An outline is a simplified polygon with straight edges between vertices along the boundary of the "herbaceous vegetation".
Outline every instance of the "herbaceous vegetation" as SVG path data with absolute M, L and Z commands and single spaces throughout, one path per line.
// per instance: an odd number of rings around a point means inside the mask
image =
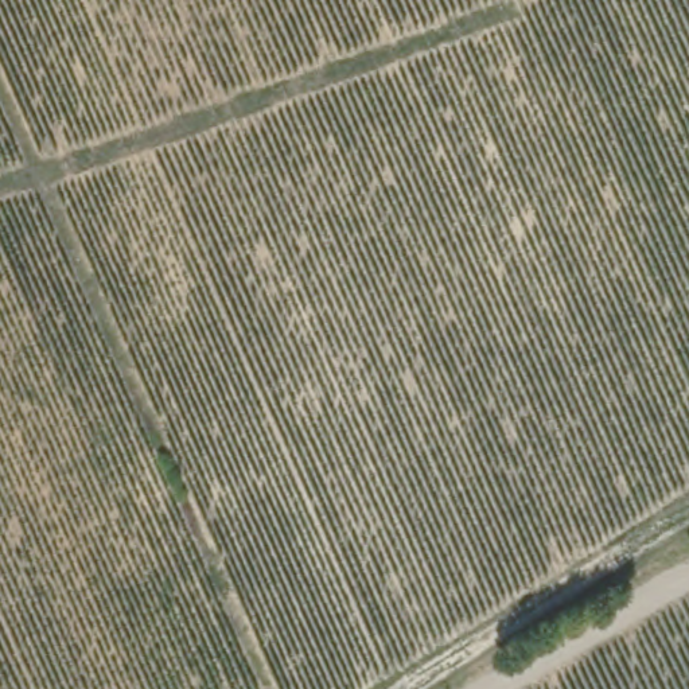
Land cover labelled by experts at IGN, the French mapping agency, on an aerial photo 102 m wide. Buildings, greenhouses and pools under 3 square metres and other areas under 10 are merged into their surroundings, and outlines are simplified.
M 490 651 L 482 651 L 471 662 L 455 667 L 444 681 L 428 689 L 463 689 L 468 681 L 495 667 L 495 646 Z
M 533 595 L 525 595 L 501 619 L 498 632 L 495 643 L 501 649 L 509 649 L 514 641 L 538 632 L 544 624 L 560 622 L 563 616 L 584 611 L 595 614 L 600 606 L 611 600 L 614 589 L 630 597 L 635 584 L 643 584 L 657 573 L 689 560 L 689 495 L 678 498 L 646 522 L 619 533 L 608 544 L 608 549 L 624 541 L 646 544 L 657 541 L 665 530 L 673 530 L 673 538 L 667 538 L 662 546 L 649 549 L 635 560 L 622 560 L 616 568 L 571 573 L 565 584 L 544 587 Z
M 458 35 L 476 32 L 495 22 L 511 19 L 514 5 L 495 5 L 474 16 L 463 16 L 458 22 L 444 24 L 436 32 L 414 35 L 377 51 L 366 51 L 355 59 L 331 62 L 323 70 L 301 75 L 299 81 L 283 81 L 266 89 L 256 89 L 240 94 L 231 102 L 178 116 L 172 124 L 105 143 L 100 148 L 75 151 L 59 159 L 38 159 L 24 143 L 22 129 L 16 129 L 13 161 L 22 161 L 24 170 L 0 175 L 0 202 L 43 194 L 48 205 L 59 199 L 57 188 L 67 186 L 62 178 L 65 172 L 78 172 L 132 151 L 153 148 L 156 143 L 180 140 L 213 124 L 256 113 L 280 97 L 299 94 L 307 89 L 323 89 L 328 81 L 382 67 L 412 51 L 455 40 Z

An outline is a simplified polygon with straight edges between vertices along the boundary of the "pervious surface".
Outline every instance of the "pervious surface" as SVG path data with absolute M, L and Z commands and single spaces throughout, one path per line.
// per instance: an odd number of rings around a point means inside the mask
M 587 627 L 579 638 L 563 641 L 554 651 L 536 657 L 525 670 L 506 676 L 495 667 L 468 681 L 463 689 L 528 689 L 536 684 L 557 686 L 560 673 L 576 665 L 595 646 L 622 635 L 627 627 L 641 627 L 651 614 L 689 595 L 689 560 L 657 573 L 643 584 L 635 584 L 630 597 L 627 606 L 619 608 L 606 627 Z
M 493 627 L 482 630 L 468 649 L 452 654 L 444 651 L 441 657 L 433 657 L 412 676 L 396 681 L 390 689 L 428 689 L 444 681 L 455 667 L 471 662 L 482 651 L 490 651 L 495 646 L 495 643 L 498 632 Z

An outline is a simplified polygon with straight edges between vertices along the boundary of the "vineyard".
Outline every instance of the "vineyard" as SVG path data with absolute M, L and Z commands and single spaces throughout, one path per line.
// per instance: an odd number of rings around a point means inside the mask
M 576 665 L 560 673 L 557 686 L 536 684 L 528 689 L 689 689 L 689 595 L 651 614 L 641 627 L 627 627 L 622 635 L 595 646 Z
M 231 102 L 240 94 L 256 89 L 266 89 L 283 81 L 299 81 L 301 75 L 323 70 L 331 62 L 355 59 L 366 51 L 377 51 L 414 35 L 436 32 L 444 24 L 458 22 L 463 16 L 474 16 L 495 5 L 514 5 L 511 19 L 495 22 L 476 32 L 458 35 L 455 40 L 412 51 L 382 67 L 328 81 L 323 89 L 307 89 L 299 94 L 280 97 L 256 113 L 213 124 L 180 140 L 156 143 L 153 148 L 132 151 L 78 172 L 65 172 L 62 178 L 67 186 L 57 188 L 59 199 L 48 205 L 43 194 L 0 202 L 0 689 L 390 689 L 396 681 L 412 676 L 433 657 L 441 657 L 444 651 L 452 654 L 468 649 L 482 630 L 493 627 L 498 632 L 501 619 L 525 595 L 533 595 L 544 587 L 565 584 L 571 573 L 616 568 L 622 560 L 635 560 L 649 549 L 662 546 L 667 538 L 673 538 L 673 530 L 665 530 L 657 541 L 646 544 L 624 541 L 608 549 L 608 544 L 619 533 L 646 522 L 678 498 L 689 495 L 689 0 L 0 0 L 0 175 L 24 170 L 22 161 L 13 161 L 16 129 L 22 129 L 24 143 L 38 159 L 59 159 L 75 151 L 100 148 L 105 143 L 172 124 L 178 116 Z

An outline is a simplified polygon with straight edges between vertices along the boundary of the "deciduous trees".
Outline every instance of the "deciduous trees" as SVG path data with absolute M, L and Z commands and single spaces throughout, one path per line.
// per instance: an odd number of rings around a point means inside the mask
M 501 649 L 495 643 L 495 646 L 495 667 L 506 676 L 525 670 L 536 657 L 554 651 L 563 641 L 579 638 L 587 627 L 606 627 L 619 608 L 627 606 L 630 597 L 614 589 L 611 600 L 600 606 L 595 614 L 584 611 L 563 616 L 560 622 L 544 624 L 538 632 L 514 641 L 509 649 Z

